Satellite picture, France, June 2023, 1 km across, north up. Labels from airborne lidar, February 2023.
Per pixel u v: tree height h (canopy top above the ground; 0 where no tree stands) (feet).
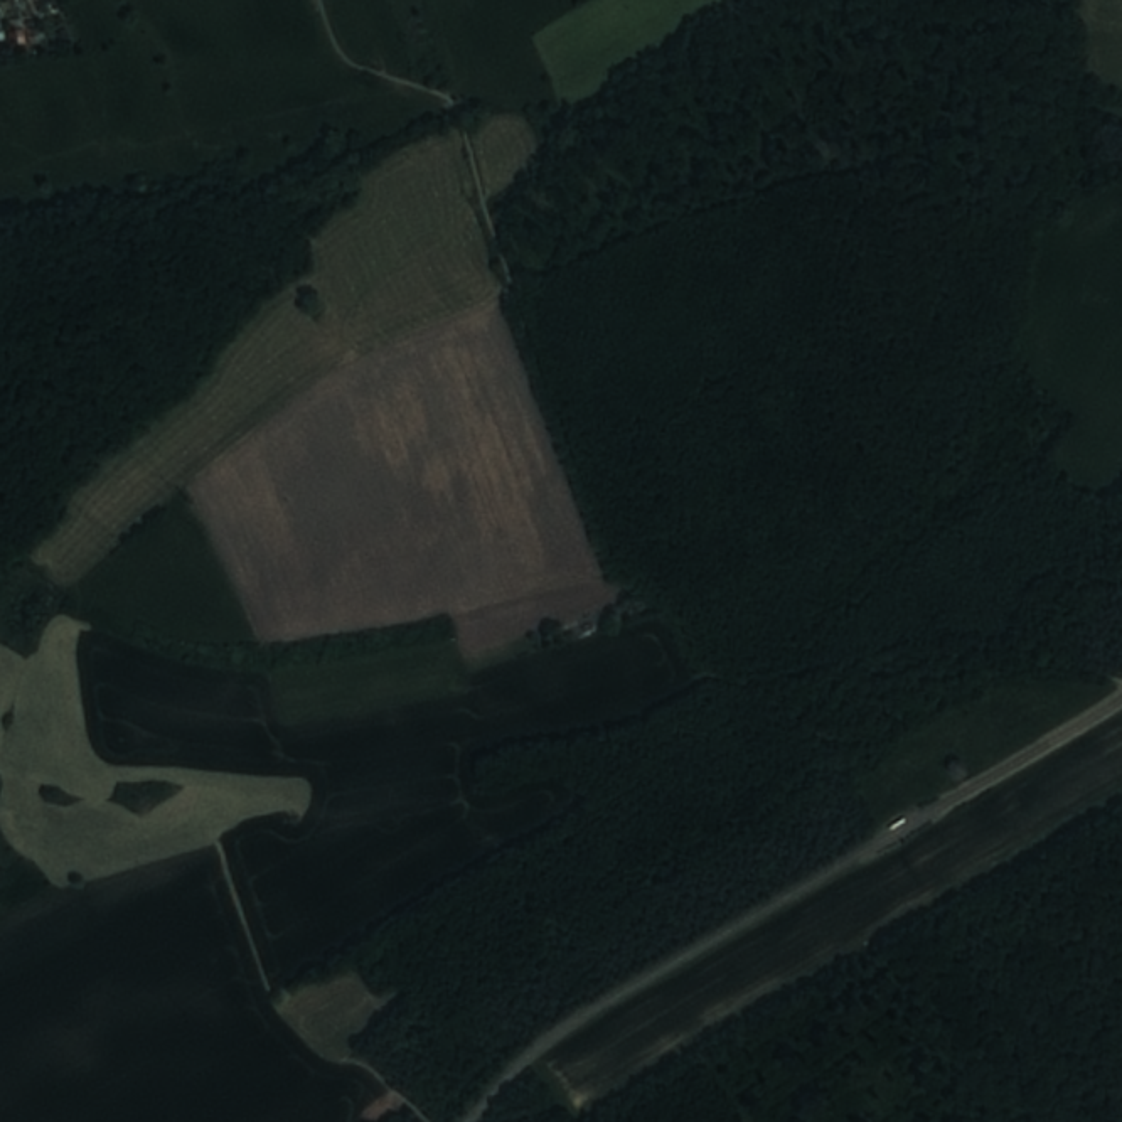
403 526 0
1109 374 0
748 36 80
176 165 0
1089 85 56
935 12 97
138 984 0
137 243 76
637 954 57
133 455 0
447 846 0
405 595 0
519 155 0
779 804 70
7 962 0
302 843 0
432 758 0
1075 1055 82
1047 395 23
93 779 0
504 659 0
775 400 47
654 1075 49
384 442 0
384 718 0
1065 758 0
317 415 0
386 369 0
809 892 0
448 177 0
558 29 0
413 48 0
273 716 0
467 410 0
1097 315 0
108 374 75
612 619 44
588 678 0
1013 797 0
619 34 0
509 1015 63
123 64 0
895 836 0
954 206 98
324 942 0
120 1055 0
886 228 82
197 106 0
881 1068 0
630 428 42
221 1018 0
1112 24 0
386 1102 0
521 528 0
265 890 0
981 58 110
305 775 0
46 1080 0
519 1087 58
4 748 0
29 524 80
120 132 0
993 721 0
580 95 0
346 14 0
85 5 0
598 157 80
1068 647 61
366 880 0
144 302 80
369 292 0
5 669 0
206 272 87
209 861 0
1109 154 72
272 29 0
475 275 0
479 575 0
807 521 63
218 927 0
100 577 0
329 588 0
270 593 0
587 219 70
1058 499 46
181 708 0
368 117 0
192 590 0
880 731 55
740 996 0
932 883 0
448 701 0
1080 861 82
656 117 80
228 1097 0
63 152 0
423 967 63
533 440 0
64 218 71
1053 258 0
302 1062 0
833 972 41
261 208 74
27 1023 0
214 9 0
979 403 50
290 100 0
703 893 64
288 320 0
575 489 33
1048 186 69
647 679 0
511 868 53
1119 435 0
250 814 0
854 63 99
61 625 0
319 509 0
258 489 0
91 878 0
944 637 69
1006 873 56
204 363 64
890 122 98
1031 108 96
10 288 80
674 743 55
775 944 0
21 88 0
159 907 0
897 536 28
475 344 0
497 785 48
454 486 0
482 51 0
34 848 0
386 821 0
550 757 63
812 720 70
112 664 0
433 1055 64
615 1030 0
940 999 99
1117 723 0
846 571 40
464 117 67
